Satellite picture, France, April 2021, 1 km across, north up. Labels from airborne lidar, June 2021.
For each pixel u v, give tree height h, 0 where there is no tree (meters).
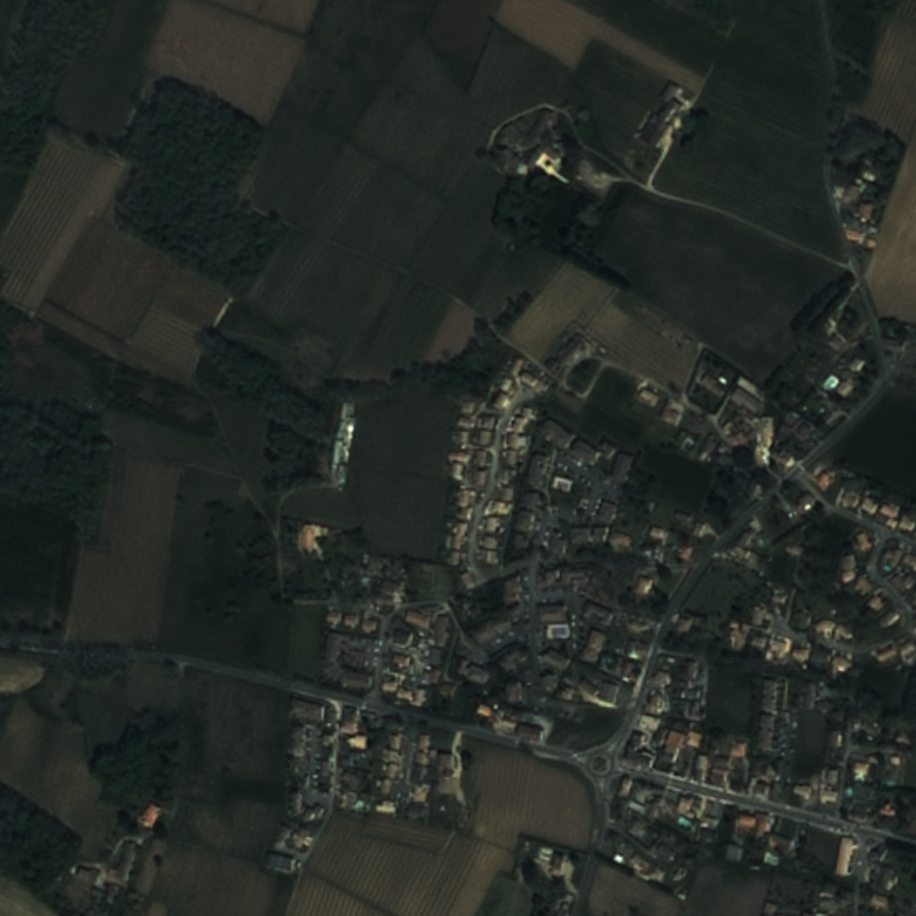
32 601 0
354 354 0
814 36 0
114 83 0
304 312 0
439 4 0
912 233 0
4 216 0
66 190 0
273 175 0
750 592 5
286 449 23
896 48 0
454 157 0
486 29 0
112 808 0
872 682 0
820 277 0
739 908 0
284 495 20
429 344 0
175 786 18
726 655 9
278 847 0
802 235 0
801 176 0
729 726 0
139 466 0
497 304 0
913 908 10
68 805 0
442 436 0
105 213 0
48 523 0
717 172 0
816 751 0
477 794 0
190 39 0
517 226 19
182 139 19
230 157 20
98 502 19
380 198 0
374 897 0
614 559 11
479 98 0
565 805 0
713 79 0
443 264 0
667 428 0
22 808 11
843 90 8
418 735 15
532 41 0
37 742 0
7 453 19
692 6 7
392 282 0
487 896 0
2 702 15
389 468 0
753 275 0
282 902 0
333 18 0
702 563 0
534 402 0
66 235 0
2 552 0
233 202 16
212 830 0
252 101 0
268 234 8
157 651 0
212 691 0
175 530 0
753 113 0
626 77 0
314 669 0
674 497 0
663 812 10
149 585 0
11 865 12
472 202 0
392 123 0
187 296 0
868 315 0
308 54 0
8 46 0
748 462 12
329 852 0
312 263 0
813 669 10
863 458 0
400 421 0
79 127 0
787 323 0
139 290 0
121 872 0
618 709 0
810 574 14
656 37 0
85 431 10
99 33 15
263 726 0
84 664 22
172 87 15
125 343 0
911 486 0
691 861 9
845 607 19
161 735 16
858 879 0
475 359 15
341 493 0
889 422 0
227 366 19
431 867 0
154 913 0
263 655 0
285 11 0
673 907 0
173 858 0
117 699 0
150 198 20
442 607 0
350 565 12
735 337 0
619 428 0
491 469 0
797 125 0
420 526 0
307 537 0
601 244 0
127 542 0
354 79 0
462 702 0
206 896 0
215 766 0
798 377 0
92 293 0
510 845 0
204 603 0
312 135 0
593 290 0
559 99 0
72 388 0
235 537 0
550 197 24
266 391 18
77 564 0
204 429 0
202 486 0
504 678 7
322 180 0
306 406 19
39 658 15
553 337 0
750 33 0
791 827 0
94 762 6
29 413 16
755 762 6
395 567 6
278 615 0
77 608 0
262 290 0
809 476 0
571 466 0
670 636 6
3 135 16
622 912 0
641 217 0
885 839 0
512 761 0
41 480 21
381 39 0
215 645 0
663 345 0
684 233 0
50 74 17
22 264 0
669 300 0
